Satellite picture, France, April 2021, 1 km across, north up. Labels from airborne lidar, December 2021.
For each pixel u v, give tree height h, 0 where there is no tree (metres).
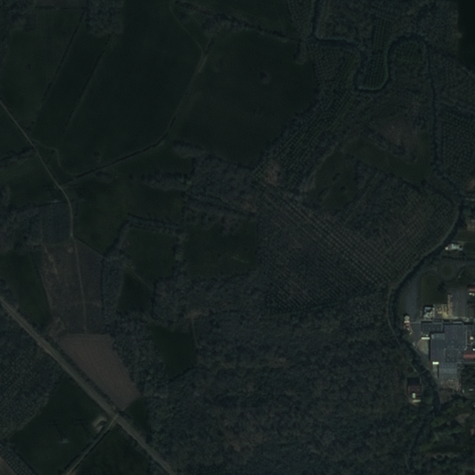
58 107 0
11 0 25
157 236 0
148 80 0
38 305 0
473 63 0
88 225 0
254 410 15
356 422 6
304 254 9
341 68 26
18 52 0
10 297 27
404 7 24
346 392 32
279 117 0
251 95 0
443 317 0
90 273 0
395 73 9
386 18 27
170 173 0
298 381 6
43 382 8
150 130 0
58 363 8
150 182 19
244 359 35
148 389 30
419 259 7
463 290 0
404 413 14
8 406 28
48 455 0
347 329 9
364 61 9
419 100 13
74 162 0
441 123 7
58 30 0
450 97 15
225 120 0
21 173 0
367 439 35
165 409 18
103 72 0
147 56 0
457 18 17
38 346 25
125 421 15
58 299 0
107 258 16
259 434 32
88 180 0
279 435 13
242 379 10
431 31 32
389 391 42
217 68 0
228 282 14
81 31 0
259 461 8
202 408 7
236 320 6
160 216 0
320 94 19
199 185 8
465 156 25
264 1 0
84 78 0
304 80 0
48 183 0
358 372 15
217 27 22
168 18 0
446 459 12
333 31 7
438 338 0
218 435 10
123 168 0
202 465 7
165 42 0
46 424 0
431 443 19
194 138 0
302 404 14
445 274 0
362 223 8
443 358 0
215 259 0
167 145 0
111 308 21
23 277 0
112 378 0
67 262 0
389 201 7
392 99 7
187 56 0
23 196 0
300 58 17
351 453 16
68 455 0
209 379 22
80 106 0
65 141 0
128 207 0
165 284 14
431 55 15
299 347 6
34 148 9
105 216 0
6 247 21
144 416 0
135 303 0
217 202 7
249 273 9
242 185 13
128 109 0
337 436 7
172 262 0
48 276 0
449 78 19
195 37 0
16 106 0
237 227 8
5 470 0
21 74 0
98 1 23
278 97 0
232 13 0
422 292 0
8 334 11
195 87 0
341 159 0
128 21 0
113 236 0
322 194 7
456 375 0
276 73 0
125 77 0
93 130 0
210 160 12
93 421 0
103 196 0
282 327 14
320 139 12
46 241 6
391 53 18
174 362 0
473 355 0
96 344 0
